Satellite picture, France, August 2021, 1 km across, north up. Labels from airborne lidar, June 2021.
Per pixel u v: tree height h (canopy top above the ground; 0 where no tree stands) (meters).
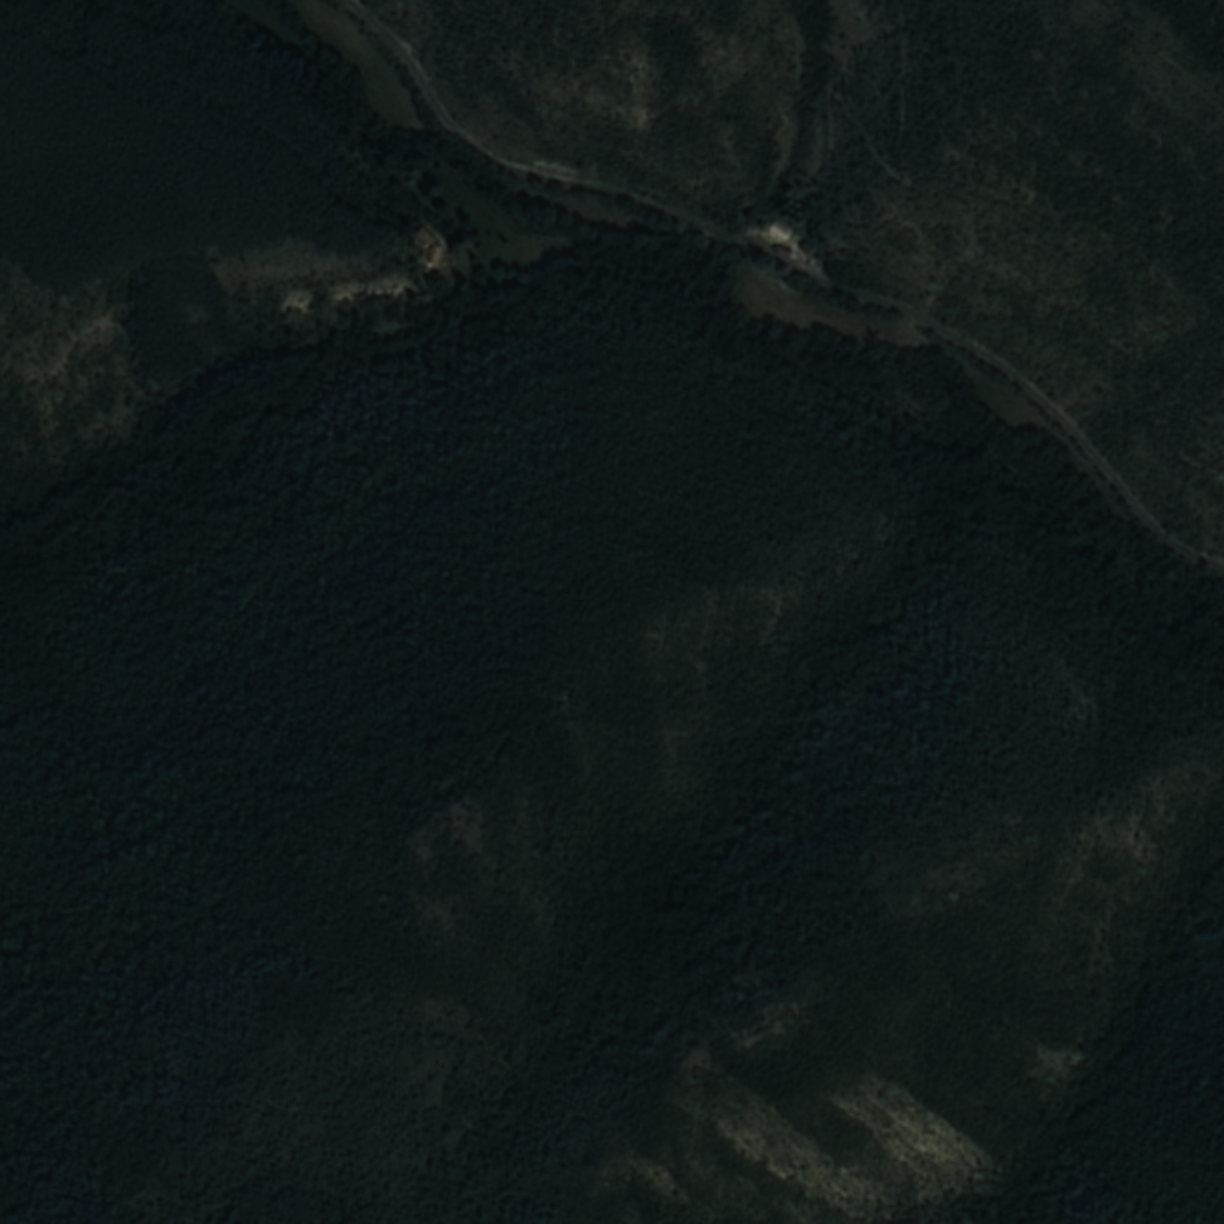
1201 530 5
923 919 8
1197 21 8
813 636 9
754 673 8
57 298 8
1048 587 9
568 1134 8
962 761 6
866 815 8
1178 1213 9
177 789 8
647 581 7
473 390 9
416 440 8
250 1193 13
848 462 9
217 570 7
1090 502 18
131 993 7
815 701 7
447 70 5
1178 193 6
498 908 5
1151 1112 6
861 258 8
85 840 11
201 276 14
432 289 20
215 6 19
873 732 6
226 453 12
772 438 6
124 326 14
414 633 12
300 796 13
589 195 10
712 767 6
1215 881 10
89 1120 6
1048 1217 10
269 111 17
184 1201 7
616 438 6
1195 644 18
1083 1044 6
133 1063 7
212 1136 7
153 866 8
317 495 10
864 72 7
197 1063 6
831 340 15
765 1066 7
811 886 10
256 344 8
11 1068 8
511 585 5
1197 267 5
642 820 10
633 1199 6
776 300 0
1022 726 7
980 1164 7
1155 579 12
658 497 9
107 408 10
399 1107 6
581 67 5
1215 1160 7
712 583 7
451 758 11
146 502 14
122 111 15
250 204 16
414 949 7
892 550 9
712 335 9
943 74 6
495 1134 13
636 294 13
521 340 7
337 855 8
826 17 12
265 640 6
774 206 10
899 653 9
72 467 10
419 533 10
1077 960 6
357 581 9
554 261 19
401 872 6
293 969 5
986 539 13
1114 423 6
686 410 6
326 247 12
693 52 8
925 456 10
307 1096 6
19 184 14
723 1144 5
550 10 5
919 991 6
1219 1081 9
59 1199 11
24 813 7
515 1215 7
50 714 9
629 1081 7
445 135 12
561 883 7
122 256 14
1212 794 6
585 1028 8
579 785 7
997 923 7
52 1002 9
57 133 16
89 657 7
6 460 9
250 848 9
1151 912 7
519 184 9
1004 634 7
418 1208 7
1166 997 8
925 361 17
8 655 11
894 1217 7
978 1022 6
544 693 10
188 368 12
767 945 12
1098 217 6
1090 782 6
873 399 7
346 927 6
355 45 0
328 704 11
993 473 9
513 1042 7
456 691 9
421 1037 8
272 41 19
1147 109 6
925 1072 7
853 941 8
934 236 6
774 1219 8
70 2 10
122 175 16
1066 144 6
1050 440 10
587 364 9
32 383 7
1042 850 8
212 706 12
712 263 21
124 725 5
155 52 15
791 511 6
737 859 10
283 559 7
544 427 6
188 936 5
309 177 17
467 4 7
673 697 8
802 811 7
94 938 8
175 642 10
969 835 6
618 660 6
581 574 7
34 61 16
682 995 6
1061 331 6
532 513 6
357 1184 6
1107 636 12
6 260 7
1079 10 0
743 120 8
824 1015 7
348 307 8
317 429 10
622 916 15
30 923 10
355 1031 6
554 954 6
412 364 15
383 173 9
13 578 18
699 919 11
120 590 10
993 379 14
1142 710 13
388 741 10
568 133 6
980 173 6
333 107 22
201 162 15
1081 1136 9
